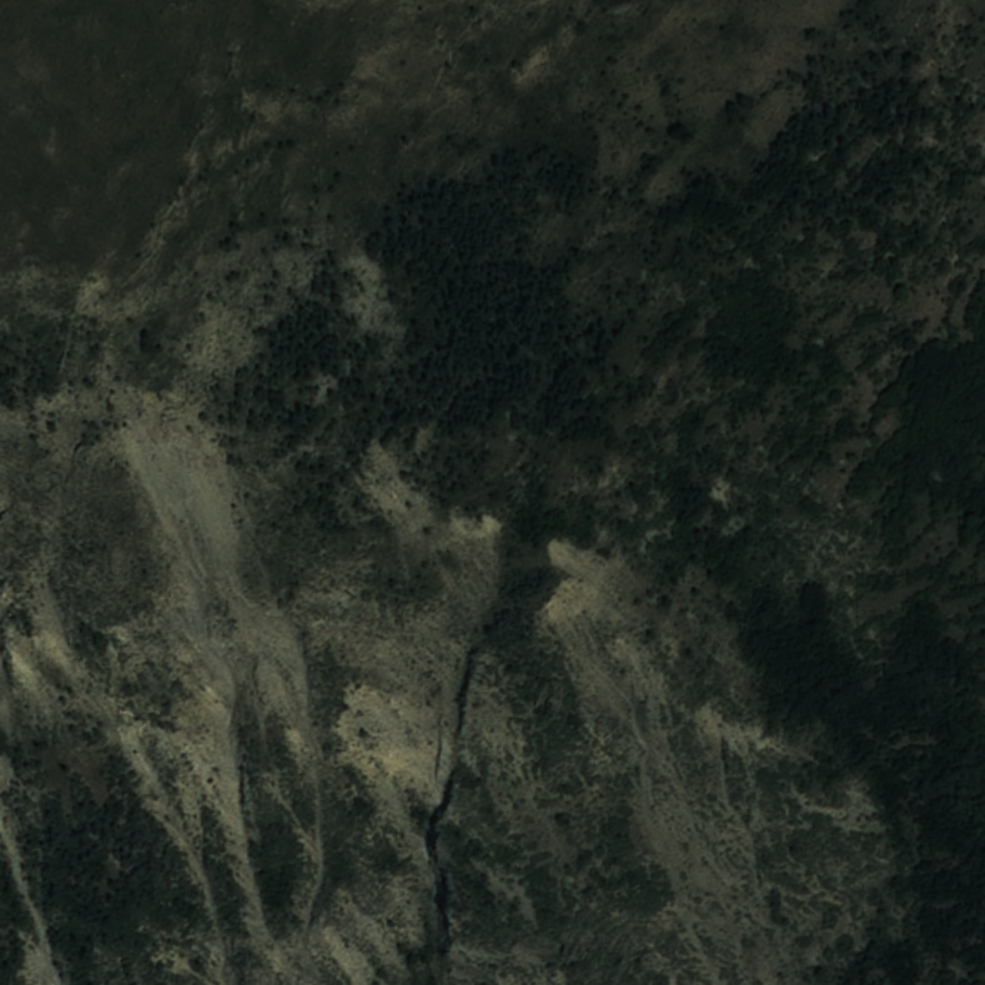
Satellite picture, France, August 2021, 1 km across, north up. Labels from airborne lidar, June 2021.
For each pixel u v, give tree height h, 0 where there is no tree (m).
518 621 9
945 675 18
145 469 0
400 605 8
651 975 6
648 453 10
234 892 9
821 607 20
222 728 0
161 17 0
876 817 7
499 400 16
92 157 0
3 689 0
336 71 0
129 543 0
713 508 9
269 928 7
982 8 0
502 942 6
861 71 9
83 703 0
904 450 11
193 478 0
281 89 0
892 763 8
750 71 0
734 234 7
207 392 8
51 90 0
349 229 0
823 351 6
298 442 12
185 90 0
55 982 0
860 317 7
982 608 6
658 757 0
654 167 13
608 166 0
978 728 15
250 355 0
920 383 15
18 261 0
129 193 0
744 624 7
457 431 13
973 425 14
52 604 0
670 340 9
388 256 15
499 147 0
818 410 8
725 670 0
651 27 0
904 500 12
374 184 0
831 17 0
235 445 15
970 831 16
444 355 19
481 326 19
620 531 7
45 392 9
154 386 0
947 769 18
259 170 0
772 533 8
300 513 14
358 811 10
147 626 6
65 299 0
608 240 6
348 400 9
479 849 7
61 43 0
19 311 0
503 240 10
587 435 9
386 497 0
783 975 7
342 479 6
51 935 11
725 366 10
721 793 0
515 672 13
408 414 17
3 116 0
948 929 16
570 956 9
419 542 0
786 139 14
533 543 8
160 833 9
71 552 7
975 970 7
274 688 0
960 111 7
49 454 7
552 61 0
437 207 14
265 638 0
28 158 0
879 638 6
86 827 7
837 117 8
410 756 0
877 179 13
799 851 8
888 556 7
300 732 0
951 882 16
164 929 6
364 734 10
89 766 0
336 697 0
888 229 6
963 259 7
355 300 0
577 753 8
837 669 13
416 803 11
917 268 6
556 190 12
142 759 0
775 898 7
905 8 0
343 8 0
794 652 22
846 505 10
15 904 12
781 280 6
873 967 15
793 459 8
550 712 8
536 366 16
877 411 10
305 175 0
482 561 0
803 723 13
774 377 10
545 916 9
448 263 12
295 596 8
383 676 0
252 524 0
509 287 10
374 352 9
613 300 7
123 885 8
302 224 0
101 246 0
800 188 11
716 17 0
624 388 7
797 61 0
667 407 7
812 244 9
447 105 0
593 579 0
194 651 0
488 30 0
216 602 0
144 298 0
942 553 8
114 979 8
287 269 0
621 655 0
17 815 9
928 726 11
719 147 0
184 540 0
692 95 0
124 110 0
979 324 17
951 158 6
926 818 11
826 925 8
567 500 7
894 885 8
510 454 0
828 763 9
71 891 13
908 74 11
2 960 7
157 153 0
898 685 19
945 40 8
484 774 7
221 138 0
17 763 10
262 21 0
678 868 0
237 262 0
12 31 0
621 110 8
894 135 10
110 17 0
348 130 0
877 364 8
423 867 0
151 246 0
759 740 0
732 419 8
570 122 0
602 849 7
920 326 8
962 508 8
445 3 0
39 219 0
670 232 6
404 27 0
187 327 0
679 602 6
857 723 15
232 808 0
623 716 0
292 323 12
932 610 9
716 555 9
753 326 9
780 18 0
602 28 0
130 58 0
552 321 9
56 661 0
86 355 0
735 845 0
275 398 18
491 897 11
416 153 0
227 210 0
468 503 0
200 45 0
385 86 0
